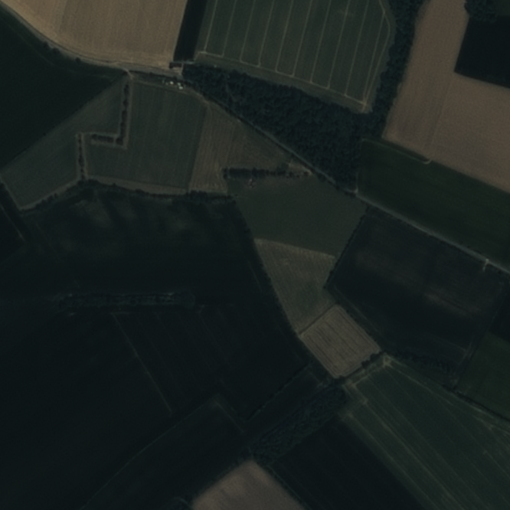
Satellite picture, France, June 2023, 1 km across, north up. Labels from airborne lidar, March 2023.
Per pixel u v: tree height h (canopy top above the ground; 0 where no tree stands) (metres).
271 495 0
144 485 0
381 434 0
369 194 0
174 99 0
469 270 0
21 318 0
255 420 0
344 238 0
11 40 0
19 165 0
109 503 0
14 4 0
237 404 0
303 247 0
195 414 0
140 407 0
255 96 28
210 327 0
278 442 18
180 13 0
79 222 0
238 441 0
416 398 0
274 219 0
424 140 0
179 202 0
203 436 0
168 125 0
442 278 0
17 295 0
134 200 0
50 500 0
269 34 0
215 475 0
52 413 0
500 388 0
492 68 0
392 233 0
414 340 0
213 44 0
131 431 0
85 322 0
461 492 0
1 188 9
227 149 0
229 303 0
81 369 0
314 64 0
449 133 0
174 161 0
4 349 0
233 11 0
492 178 0
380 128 16
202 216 0
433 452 0
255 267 0
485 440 0
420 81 0
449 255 0
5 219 0
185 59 0
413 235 0
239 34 0
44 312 0
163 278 0
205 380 0
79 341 0
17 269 0
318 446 0
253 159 0
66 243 0
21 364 0
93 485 0
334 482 0
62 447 0
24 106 0
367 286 0
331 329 0
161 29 0
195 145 0
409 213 0
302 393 0
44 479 0
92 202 0
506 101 0
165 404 0
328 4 0
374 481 0
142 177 0
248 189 0
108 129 0
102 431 0
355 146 13
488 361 0
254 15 0
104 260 0
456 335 0
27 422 0
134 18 0
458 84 0
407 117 0
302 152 10
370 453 0
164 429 0
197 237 0
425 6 0
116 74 0
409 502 0
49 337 0
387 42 0
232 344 0
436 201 0
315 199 0
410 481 0
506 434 0
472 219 0
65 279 0
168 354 0
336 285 0
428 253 0
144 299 11
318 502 0
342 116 26
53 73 0
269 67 0
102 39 0
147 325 0
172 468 0
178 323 0
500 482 0
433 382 0
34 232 0
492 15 23
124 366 0
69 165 0
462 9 0
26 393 0
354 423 0
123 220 0
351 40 0
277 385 0
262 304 0
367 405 0
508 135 0
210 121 0
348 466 0
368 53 0
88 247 0
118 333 0
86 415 0
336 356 0
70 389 0
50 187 0
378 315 0
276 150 0
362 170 0
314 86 0
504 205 0
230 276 0
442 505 0
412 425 0
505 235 0
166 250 0
